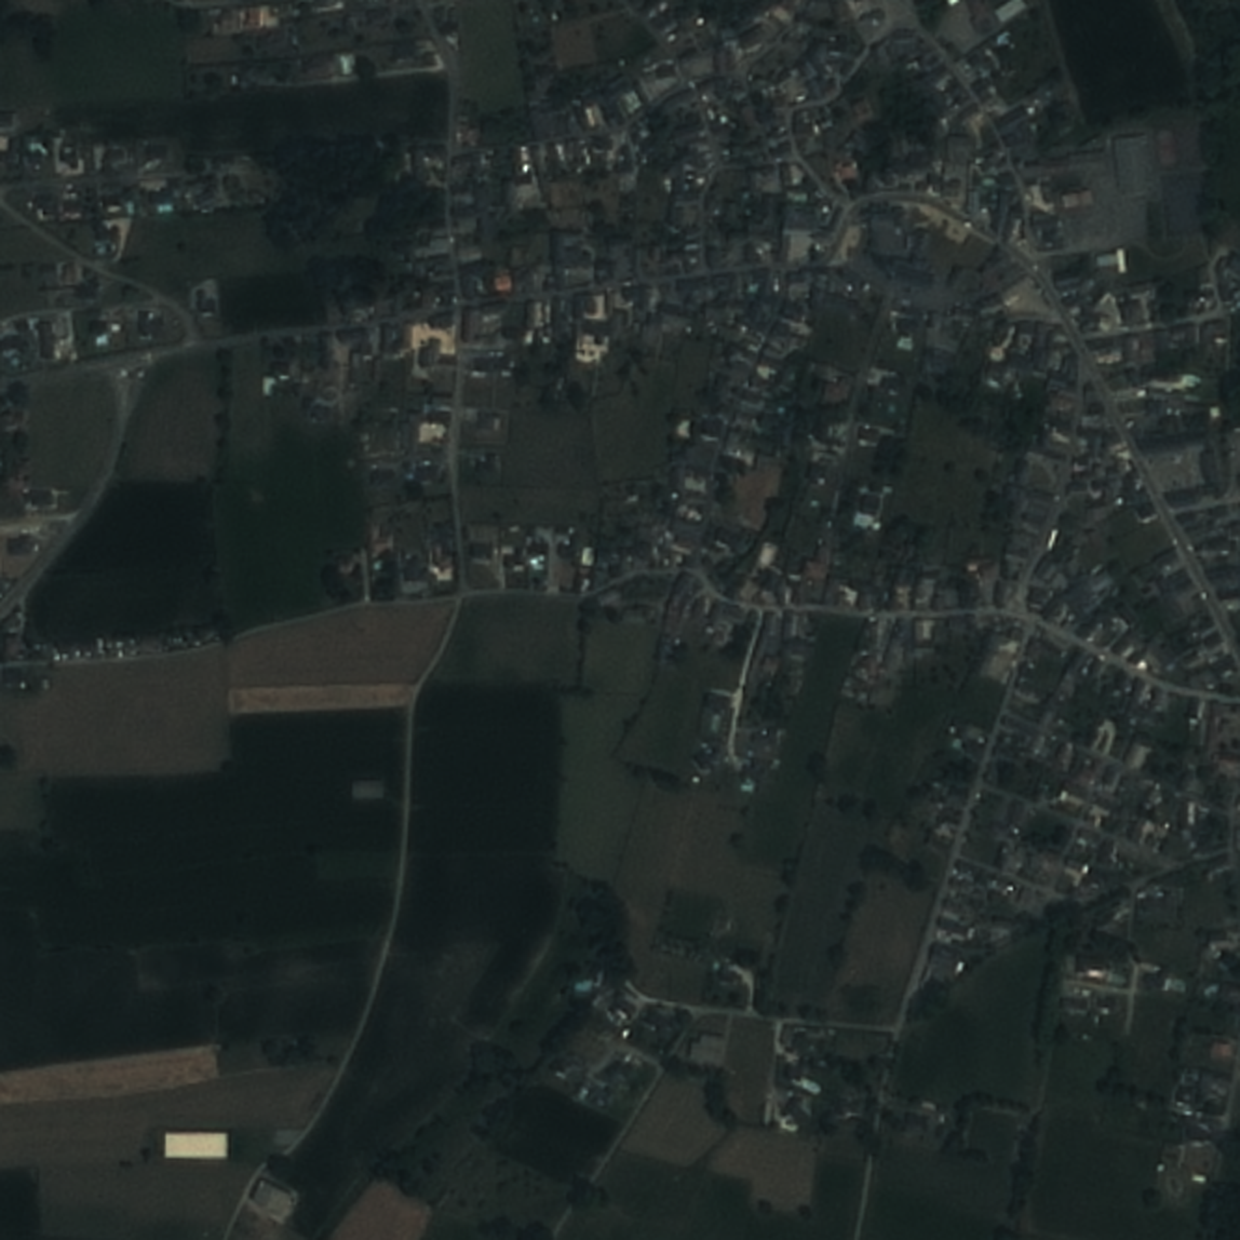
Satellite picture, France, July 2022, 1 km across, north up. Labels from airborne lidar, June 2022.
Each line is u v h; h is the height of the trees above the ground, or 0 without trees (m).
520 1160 0
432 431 0
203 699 0
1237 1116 0
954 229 0
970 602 0
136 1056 0
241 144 0
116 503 0
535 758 0
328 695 0
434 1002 0
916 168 0
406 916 0
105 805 0
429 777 0
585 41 0
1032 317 0
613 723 0
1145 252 0
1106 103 0
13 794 0
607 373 0
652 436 0
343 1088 0
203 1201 0
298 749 0
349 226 0
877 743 0
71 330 0
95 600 0
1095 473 0
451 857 0
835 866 0
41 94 0
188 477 0
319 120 0
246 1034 0
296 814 0
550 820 0
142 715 0
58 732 0
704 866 0
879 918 0
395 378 0
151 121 0
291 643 0
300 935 0
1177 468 0
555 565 0
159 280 0
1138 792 0
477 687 0
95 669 0
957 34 0
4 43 12
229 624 15
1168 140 0
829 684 0
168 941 0
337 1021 0
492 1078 16
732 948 0
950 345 0
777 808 0
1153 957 0
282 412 0
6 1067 0
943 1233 0
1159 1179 0
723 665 0
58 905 0
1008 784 11
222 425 13
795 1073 0
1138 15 0
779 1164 0
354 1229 0
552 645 0
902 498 0
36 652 6
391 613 0
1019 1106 8
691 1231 0
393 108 0
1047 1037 16
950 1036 0
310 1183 0
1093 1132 0
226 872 0
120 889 0
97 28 0
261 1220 0
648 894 0
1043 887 0
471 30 0
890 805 0
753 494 0
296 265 0
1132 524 0
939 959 0
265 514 0
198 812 0
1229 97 28
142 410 0
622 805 0
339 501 0
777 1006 9
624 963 19
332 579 14
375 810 0
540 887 0
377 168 28
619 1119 0
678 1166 0
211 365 0
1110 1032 0
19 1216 0
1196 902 0
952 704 0
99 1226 0
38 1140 0
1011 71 0
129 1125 0
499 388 0
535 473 0
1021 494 0
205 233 0
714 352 0
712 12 19
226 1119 0
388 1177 16
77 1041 0
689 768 0
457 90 0
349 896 0
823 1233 0
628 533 10
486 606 0
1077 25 0
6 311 0
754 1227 0
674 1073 18
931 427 0
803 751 0
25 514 0
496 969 0
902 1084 0
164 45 0
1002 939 0
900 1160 0
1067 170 0
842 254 0
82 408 0
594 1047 0
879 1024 0
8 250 0
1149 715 0
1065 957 11
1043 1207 0
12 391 9
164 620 0
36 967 0
